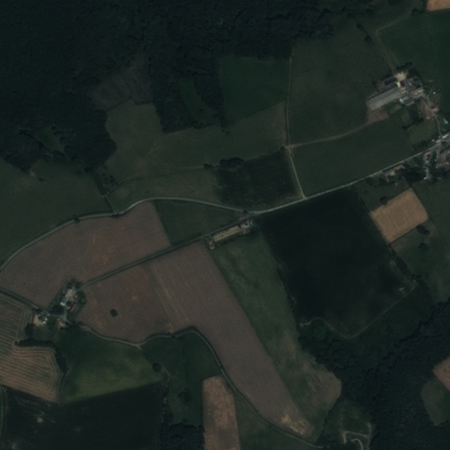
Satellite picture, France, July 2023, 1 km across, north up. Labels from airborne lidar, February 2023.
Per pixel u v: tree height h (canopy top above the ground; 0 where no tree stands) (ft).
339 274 0
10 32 62
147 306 0
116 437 0
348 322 0
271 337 0
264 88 0
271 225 0
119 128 0
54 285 0
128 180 0
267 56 54
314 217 0
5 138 90
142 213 0
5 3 86
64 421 0
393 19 0
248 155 0
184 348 0
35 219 0
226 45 52
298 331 23
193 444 100
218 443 0
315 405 0
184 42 101
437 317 82
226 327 0
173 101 37
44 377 0
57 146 0
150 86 0
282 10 99
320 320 31
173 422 0
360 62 0
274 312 0
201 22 61
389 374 89
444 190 0
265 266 0
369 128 0
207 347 0
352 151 0
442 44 0
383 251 0
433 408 0
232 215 0
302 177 0
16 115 87
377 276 0
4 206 0
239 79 0
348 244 0
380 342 0
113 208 0
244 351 0
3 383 0
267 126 0
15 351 0
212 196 0
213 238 0
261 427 0
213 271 0
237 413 0
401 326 0
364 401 80
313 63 0
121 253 0
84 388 0
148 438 0
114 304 0
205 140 0
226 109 0
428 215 0
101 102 0
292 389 0
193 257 0
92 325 0
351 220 0
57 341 0
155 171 0
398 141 0
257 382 0
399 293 0
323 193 0
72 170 0
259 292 0
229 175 0
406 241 0
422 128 0
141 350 0
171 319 0
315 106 0
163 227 0
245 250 0
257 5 93
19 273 0
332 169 0
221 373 0
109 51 73
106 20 81
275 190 0
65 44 85
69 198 0
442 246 0
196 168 0
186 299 0
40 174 0
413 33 0
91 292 0
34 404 0
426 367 54
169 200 0
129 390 0
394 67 0
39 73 80
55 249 0
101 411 0
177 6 74
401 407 35
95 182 0
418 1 0
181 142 0
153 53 69
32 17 89
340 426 60
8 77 73
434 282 0
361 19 0
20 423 0
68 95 56
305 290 0
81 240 0
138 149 0
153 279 0
